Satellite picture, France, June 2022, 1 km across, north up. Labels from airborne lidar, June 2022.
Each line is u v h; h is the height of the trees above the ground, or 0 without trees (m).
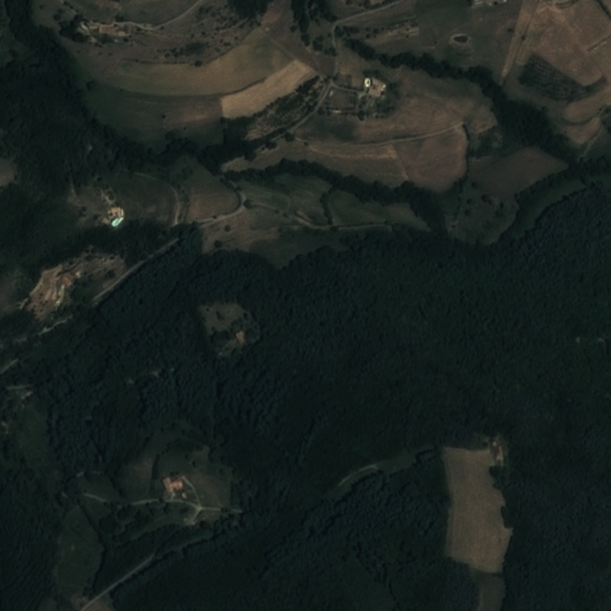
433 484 14
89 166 7
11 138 12
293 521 18
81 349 23
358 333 24
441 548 12
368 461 10
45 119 13
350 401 12
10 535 10
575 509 21
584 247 16
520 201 15
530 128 12
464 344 16
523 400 24
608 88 0
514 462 8
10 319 7
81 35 11
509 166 0
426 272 19
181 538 16
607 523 17
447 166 0
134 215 0
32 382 10
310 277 24
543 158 0
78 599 0
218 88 0
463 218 0
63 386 32
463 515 0
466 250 20
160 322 15
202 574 14
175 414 25
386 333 19
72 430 33
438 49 0
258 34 0
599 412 18
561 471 18
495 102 8
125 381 17
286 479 16
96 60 0
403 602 14
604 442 22
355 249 20
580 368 14
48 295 0
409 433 22
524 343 18
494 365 16
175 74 0
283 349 19
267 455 18
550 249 23
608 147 0
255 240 0
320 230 8
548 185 8
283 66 0
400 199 17
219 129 0
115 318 35
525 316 15
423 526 29
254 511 10
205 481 0
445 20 0
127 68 0
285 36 0
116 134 26
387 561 12
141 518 12
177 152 22
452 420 14
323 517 24
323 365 15
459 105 0
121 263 0
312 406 14
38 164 10
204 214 0
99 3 0
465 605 19
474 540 0
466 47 0
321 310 30
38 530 15
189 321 17
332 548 25
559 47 0
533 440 20
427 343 17
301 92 9
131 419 13
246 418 15
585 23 0
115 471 13
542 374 22
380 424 15
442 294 20
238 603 20
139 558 8
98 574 11
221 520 7
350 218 0
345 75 0
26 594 6
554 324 16
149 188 0
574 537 21
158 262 16
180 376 21
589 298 16
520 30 0
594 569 25
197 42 0
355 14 0
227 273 36
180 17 0
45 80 29
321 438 15
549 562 32
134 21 0
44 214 6
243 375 21
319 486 16
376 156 0
